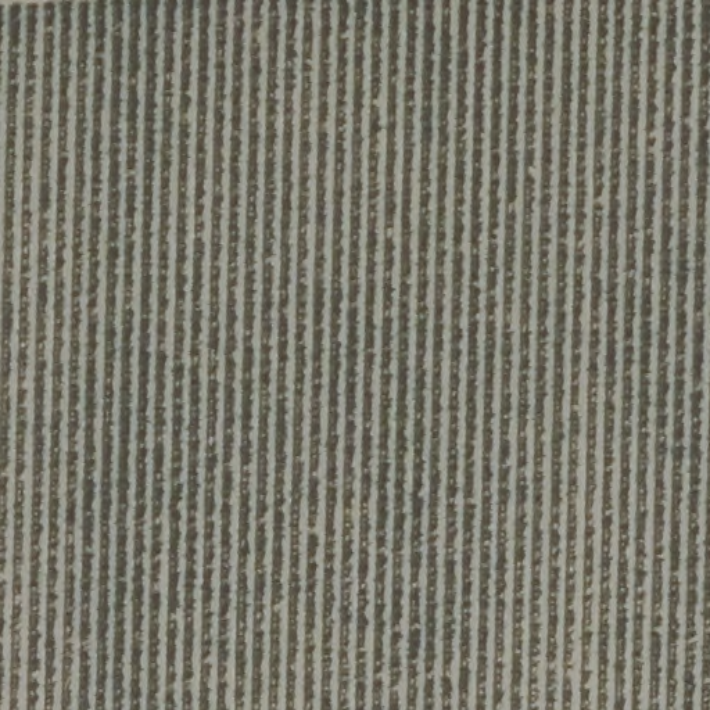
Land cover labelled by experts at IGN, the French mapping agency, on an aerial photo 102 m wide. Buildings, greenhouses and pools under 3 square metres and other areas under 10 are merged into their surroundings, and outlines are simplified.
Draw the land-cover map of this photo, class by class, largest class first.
<instances>
[{"label":"vineyard","instance_id":"1","mask_svg":"<svg viewBox=\"0 0 710 710\"><path fill-rule=\"evenodd\" d=\"M0 710H710V0H0Z\"/></svg>","mask_w":710,"mask_h":710}]
</instances>
